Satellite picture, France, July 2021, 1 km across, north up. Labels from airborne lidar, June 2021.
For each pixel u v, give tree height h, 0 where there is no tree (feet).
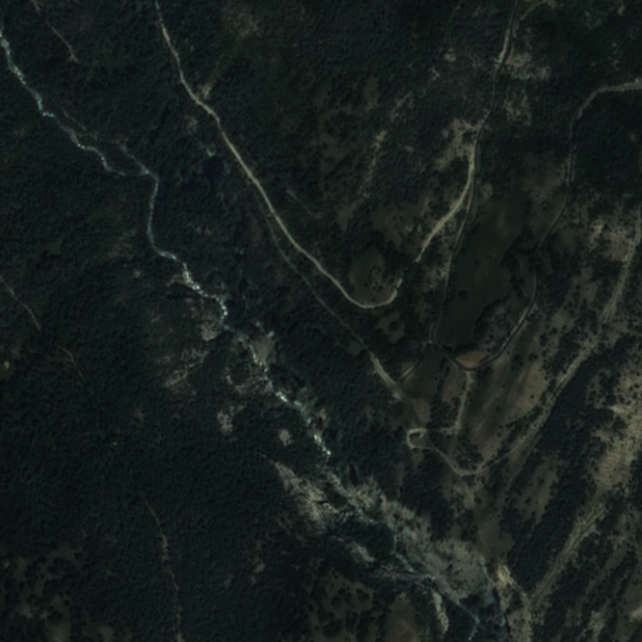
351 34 30
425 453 21
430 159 24
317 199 22
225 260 23
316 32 32
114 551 21
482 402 0
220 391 23
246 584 42
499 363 0
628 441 0
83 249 40
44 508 36
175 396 32
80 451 44
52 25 37
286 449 48
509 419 0
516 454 0
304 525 18
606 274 23
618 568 27
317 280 27
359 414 21
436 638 20
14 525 45
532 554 32
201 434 76
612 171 40
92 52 47
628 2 26
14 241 51
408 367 0
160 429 41
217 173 24
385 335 26
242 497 53
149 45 69
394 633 0
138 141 82
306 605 21
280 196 18
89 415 56
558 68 38
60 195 33
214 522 38
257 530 30
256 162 43
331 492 28
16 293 32
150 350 45
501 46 18
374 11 20
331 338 33
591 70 29
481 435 0
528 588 34
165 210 45
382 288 22
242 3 20
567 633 23
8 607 30
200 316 26
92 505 60
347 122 22
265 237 20
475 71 24
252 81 55
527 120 28
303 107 24
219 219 45
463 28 42
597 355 31
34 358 38
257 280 52
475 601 85
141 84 36
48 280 39
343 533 31
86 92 62
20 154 28
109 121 27
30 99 40
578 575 25
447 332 0
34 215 53
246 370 24
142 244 30
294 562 45
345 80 22
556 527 42
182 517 55
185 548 43
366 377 27
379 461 46
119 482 55
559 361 26
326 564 35
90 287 39
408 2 43
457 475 0
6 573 51
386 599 29
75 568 42
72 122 26
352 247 37
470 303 0
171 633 42
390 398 19
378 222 0
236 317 36
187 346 19
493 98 36
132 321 45
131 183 41
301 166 26
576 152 26
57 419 39
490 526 0
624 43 26
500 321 19
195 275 36
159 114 80
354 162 24
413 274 31
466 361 0
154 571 41
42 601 29
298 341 34
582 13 26
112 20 51
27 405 45
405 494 31
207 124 44
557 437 35
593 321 24
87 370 40
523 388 0
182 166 64
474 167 0
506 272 0
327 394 29
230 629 48
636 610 0
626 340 31
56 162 25
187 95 58
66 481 62
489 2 38
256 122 34
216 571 43
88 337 50
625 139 30
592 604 23
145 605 51
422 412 0
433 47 39
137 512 47
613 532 18
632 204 28
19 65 34
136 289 20
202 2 22
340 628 21
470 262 0
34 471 44
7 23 53
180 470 73
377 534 52
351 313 35
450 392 0
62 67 43
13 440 44
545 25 55
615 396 24
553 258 35
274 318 31
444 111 28
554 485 25
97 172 32
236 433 46
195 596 46
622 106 35
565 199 0
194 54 18
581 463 28
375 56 40
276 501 44
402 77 31
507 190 20
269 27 29
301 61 29
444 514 37
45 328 45
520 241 37
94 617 52
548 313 25
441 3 36
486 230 0
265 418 20
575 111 33
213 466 69
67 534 63
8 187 19
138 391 68
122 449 39
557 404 31
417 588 23
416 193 30
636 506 33
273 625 35
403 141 31
